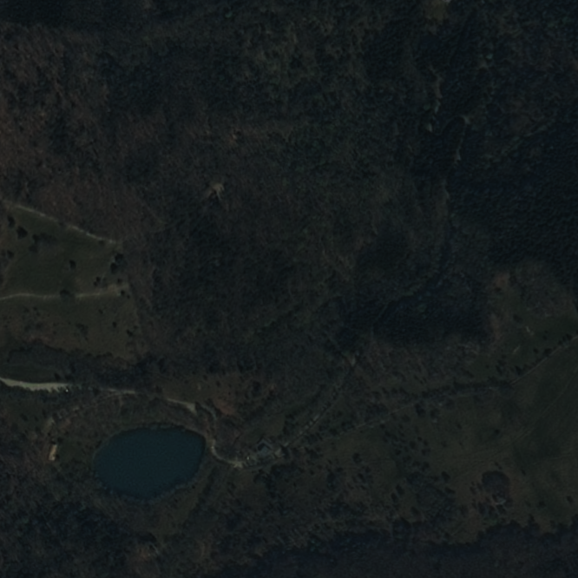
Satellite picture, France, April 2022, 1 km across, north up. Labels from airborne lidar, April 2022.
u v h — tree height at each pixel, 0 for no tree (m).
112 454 0
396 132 26
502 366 11
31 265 0
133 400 16
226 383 0
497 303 8
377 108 28
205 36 23
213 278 25
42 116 26
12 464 34
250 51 20
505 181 11
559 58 10
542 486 0
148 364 19
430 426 0
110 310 0
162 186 25
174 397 0
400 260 24
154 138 31
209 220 31
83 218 16
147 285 24
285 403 26
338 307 23
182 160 26
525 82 17
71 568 27
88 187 23
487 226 22
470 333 25
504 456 0
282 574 27
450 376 12
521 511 0
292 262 26
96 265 0
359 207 34
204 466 19
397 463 0
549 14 23
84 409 13
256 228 30
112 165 25
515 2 18
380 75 18
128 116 26
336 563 23
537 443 0
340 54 15
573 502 11
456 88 25
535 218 26
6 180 30
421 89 23
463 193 20
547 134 9
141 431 0
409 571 29
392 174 24
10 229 0
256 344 28
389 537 13
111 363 12
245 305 32
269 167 36
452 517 15
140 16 27
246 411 8
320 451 12
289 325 20
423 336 25
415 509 0
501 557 24
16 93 12
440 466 0
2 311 0
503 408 0
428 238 25
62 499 34
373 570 27
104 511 9
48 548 32
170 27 35
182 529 13
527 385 0
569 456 0
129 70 28
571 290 16
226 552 12
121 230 22
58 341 0
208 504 22
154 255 25
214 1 33
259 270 30
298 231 24
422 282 19
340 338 26
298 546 9
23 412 0
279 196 31
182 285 29
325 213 31
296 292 29
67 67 27
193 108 31
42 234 0
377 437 0
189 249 32
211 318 29
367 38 16
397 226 29
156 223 27
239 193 29
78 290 0
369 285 27
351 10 29
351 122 28
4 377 0
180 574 20
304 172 35
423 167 21
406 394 13
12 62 30
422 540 19
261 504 0
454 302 25
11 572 28
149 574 19
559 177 21
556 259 28
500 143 13
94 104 25
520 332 0
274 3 28
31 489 36
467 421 0
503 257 27
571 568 20
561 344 7
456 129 18
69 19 23
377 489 0
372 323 25
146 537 11
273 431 0
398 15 22
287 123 26
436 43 30
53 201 18
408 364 16
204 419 13
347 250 28
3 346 0
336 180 32
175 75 26
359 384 22
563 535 17
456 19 28
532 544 24
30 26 25
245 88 17
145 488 0
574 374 0
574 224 26
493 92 10
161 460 0
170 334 29
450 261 25
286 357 26
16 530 37
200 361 27
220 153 37
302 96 18
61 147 23
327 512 7
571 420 0
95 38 28
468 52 23
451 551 18
